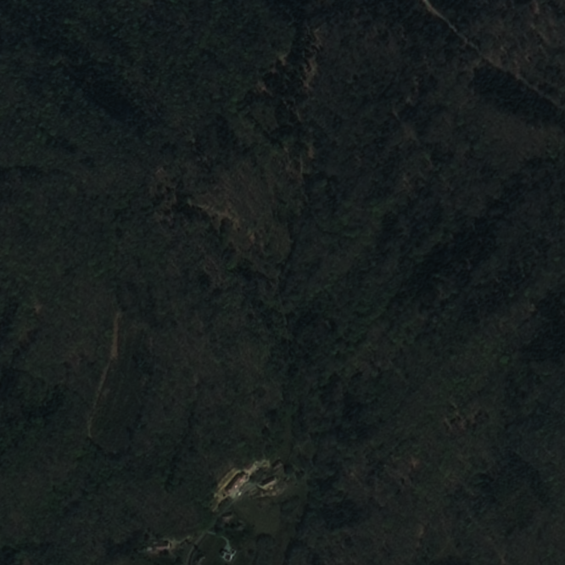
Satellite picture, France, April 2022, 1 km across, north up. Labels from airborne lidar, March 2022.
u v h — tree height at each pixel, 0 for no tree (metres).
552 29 25
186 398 28
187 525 23
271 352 19
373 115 25
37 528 27
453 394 27
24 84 29
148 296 22
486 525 18
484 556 27
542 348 28
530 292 30
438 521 32
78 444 25
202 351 28
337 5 12
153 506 28
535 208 26
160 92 27
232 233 19
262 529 0
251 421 27
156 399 24
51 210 25
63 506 23
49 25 34
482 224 18
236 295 24
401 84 27
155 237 19
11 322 24
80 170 24
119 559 18
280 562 0
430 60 25
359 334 21
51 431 23
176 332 22
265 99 29
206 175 16
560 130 23
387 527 25
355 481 28
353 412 19
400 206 21
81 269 23
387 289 21
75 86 30
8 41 26
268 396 22
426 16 11
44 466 28
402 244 22
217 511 7
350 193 34
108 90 10
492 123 29
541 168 25
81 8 34
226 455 23
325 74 32
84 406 24
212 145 22
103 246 24
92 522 24
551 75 11
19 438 20
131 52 31
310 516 26
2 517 25
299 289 24
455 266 12
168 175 7
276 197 11
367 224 25
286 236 16
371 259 24
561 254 32
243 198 32
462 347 23
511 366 29
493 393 29
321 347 20
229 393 26
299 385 22
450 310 27
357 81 29
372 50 31
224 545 0
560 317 19
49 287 30
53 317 28
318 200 31
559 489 24
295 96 19
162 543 0
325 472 28
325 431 11
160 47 30
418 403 24
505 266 25
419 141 25
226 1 28
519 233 27
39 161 26
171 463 20
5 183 22
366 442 18
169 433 17
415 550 35
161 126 27
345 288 21
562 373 28
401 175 29
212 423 23
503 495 11
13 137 28
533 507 11
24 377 26
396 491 30
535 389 30
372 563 29
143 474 19
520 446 23
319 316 23
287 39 28
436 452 24
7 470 23
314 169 28
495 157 29
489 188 29
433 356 21
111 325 28
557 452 26
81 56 30
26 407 24
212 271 27
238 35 26
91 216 21
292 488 0
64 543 22
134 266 22
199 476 23
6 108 30
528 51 26
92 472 7
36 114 30
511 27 20
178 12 35
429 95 27
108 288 27
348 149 29
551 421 24
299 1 31
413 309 19
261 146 34
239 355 20
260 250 25
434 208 29
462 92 27
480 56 25
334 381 14
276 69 18
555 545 34
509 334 28
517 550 30
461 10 14
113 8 31
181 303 27
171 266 24
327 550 27
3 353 27
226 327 18
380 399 24
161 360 28
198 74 32
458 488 22
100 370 24
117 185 19
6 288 25
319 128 25
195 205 6
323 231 26
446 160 24
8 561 9
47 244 27
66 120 27
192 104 31
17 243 27
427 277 12
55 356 29
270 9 28
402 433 26
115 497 21
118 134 28
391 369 25
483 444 28
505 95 28
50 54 31
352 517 21
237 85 32
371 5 29
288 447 0
